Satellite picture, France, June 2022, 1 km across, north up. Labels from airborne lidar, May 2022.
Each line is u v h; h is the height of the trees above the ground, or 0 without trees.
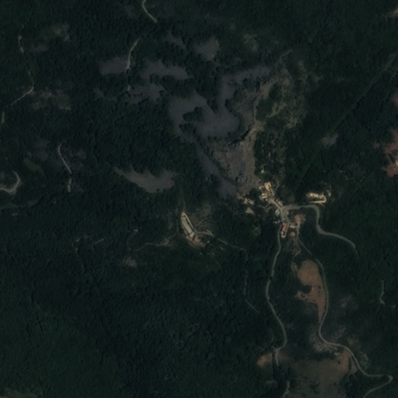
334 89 20
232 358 7
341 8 18
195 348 17
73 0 11
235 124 0
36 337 25
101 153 19
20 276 14
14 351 24
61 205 8
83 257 22
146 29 16
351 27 13
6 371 16
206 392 13
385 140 15
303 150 13
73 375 21
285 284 9
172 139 15
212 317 15
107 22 16
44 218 16
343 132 22
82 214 16
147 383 17
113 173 11
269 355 0
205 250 11
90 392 24
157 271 20
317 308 0
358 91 19
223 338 14
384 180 16
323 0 19
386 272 19
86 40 11
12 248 20
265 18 6
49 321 20
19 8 19
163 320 8
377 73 16
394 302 18
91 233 14
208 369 18
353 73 16
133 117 22
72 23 21
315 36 14
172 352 16
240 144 0
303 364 0
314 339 0
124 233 8
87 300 27
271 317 11
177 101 0
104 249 7
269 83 0
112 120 22
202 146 10
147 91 0
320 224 10
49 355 14
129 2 7
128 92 17
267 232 16
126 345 22
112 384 28
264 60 10
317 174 11
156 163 17
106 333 10
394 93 19
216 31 11
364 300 20
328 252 6
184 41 13
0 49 17
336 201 7
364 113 23
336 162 15
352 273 14
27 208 16
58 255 20
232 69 9
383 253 23
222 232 12
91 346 23
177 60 9
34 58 15
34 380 19
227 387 14
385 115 18
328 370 0
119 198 18
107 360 24
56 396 21
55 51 17
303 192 11
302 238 8
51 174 22
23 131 19
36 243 14
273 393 20
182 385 14
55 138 15
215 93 9
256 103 0
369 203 19
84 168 9
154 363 19
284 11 5
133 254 6
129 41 15
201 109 11
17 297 14
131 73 15
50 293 8
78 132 19
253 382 11
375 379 6
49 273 24
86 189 10
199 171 9
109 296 13
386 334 6
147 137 21
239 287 9
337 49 12
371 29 9
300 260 6
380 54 23
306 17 18
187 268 6
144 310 17
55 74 19
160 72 0
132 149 24
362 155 11
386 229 18
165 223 8
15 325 21
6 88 14
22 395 0
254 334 13
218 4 8
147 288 26
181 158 16
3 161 12
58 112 16
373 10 12
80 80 11
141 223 19
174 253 7
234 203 6
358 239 12
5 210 16
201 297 5
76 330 15
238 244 8
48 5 20
